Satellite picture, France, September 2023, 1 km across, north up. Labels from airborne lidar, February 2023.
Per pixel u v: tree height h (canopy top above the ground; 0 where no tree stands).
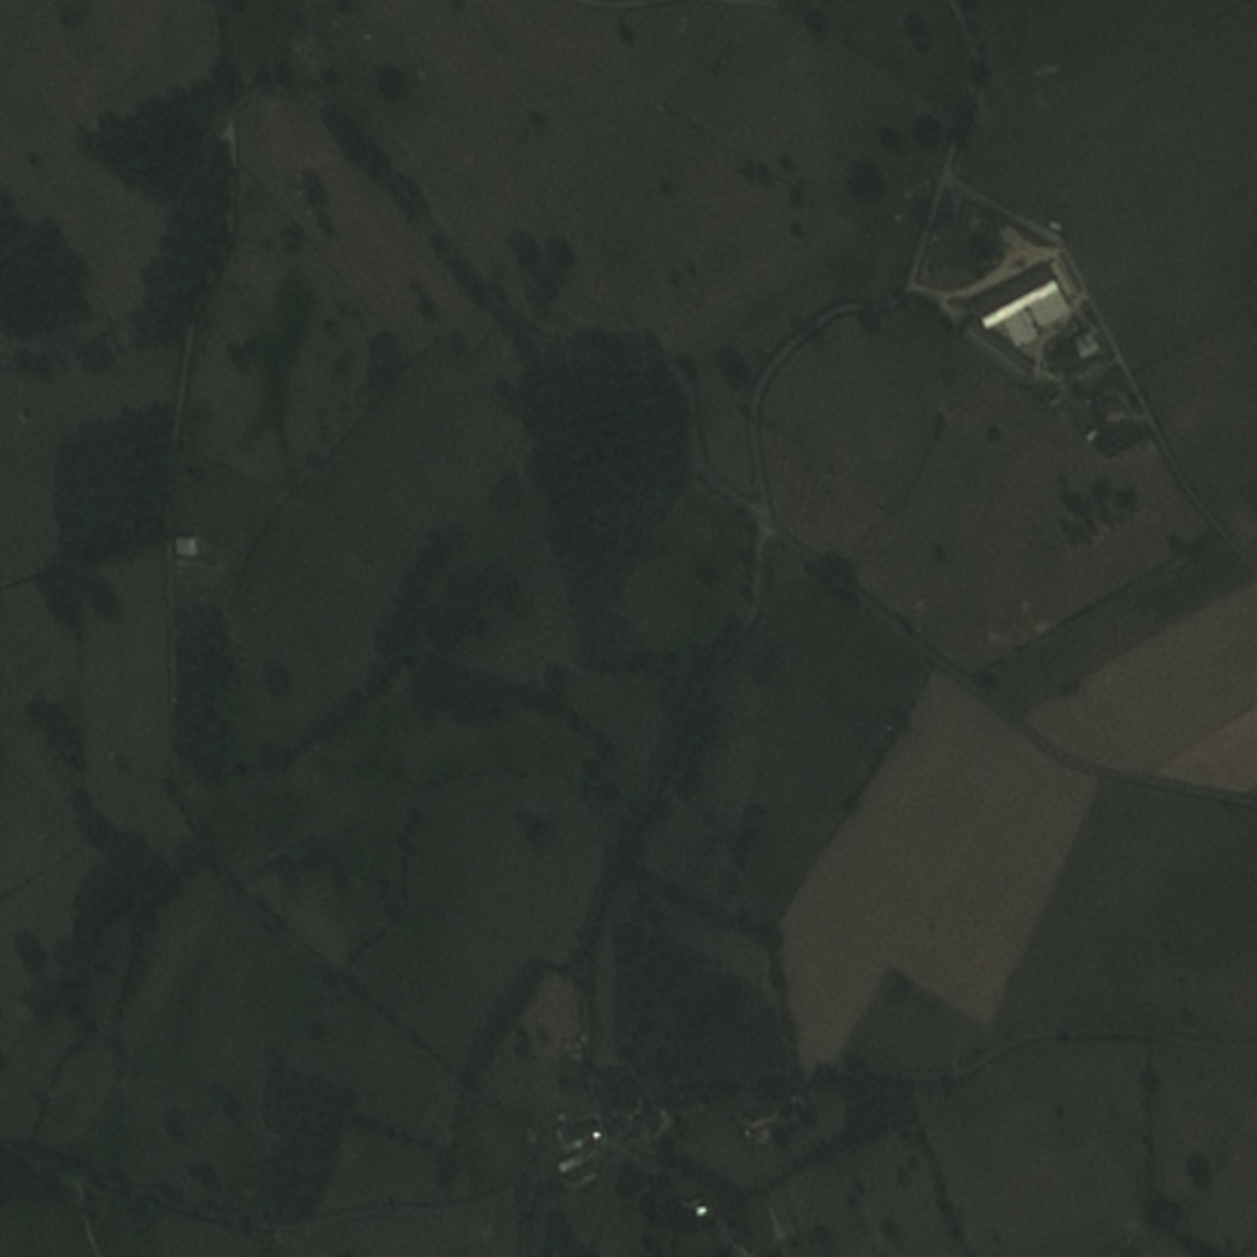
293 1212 9
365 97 0
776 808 0
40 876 0
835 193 0
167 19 0
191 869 17
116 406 0
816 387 0
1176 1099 0
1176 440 0
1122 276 0
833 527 0
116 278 0
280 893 0
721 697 0
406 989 0
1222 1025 0
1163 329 0
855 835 0
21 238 8
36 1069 0
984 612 0
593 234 0
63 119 0
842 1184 0
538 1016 0
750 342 0
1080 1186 0
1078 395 9
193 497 0
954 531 0
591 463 9
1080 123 0
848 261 0
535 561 0
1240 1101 0
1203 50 0
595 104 0
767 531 0
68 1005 13
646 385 21
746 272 0
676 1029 0
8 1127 0
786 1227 0
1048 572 0
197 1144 0
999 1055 0
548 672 0
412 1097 0
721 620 0
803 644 0
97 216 0
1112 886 0
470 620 16
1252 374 0
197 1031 0
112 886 20
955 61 0
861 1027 0
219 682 20
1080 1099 0
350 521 0
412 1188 0
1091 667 0
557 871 0
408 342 0
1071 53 0
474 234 0
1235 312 0
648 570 0
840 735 0
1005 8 0
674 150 0
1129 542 0
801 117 0
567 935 0
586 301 0
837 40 0
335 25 0
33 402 0
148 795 0
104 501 27
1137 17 0
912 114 0
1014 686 0
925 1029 0
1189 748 0
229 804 0
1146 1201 0
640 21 0
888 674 0
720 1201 12
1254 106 0
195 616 0
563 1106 0
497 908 0
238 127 0
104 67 0
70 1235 0
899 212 0
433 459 0
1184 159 0
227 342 0
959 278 0
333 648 0
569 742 0
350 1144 0
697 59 0
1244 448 0
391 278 0
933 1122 0
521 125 0
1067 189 0
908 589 0
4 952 0
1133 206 0
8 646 0
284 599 0
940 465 0
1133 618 0
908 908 0
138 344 9
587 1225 0
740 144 0
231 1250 0
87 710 0
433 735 0
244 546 0
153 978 0
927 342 0
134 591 0
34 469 0
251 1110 0
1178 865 0
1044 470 0
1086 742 0
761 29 0
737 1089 8
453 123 0
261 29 0
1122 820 0
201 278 6
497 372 0
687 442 10
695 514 0
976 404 0
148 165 5
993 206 0
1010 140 0
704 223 0
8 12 0
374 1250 0
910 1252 0
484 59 0
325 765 0
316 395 0
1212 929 0
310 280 0
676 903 13
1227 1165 0
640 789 0
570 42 0
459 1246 0
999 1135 0
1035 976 0
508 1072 0
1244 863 0
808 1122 21
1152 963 0
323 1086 9
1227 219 0
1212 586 0
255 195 0
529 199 0
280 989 0
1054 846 0
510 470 0
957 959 0
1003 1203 0
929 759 0
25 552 0
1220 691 0
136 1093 0
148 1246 0
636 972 11
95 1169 0
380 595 0
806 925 0
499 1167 0
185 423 0
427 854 0
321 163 0
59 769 0
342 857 16
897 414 0
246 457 0
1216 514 0
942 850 0
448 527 0
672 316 0
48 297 10
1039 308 0
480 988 0
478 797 0
